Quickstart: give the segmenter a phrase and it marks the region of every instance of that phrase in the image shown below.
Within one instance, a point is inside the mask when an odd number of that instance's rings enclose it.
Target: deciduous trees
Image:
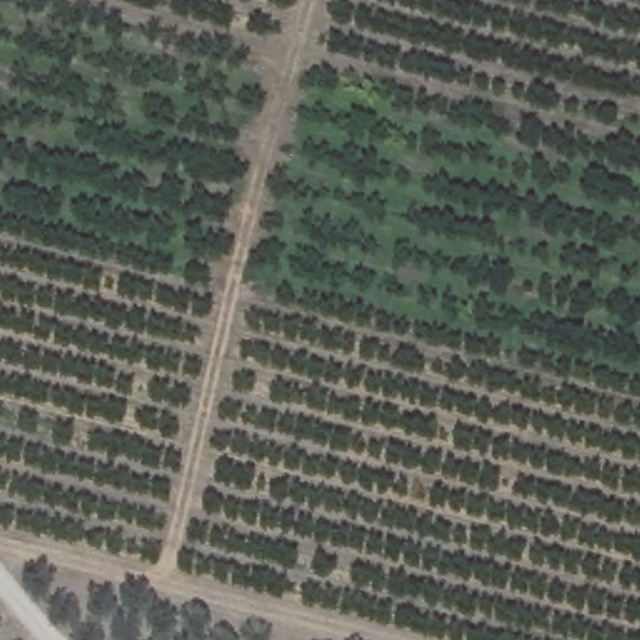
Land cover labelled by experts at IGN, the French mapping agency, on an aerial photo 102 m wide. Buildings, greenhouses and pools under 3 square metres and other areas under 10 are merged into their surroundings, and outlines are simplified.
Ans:
[[[168,598],[158,595],[155,588],[150,588],[148,578],[128,575],[123,583],[98,583],[88,573],[55,568],[48,563],[48,558],[35,558],[25,563],[20,585],[45,610],[48,620],[55,628],[60,628],[63,635],[68,635],[70,640],[270,640],[273,623],[265,618],[245,618],[243,625],[233,628],[228,620],[218,620],[210,615],[210,605],[205,600],[195,598],[173,605]]]
[[[320,43],[330,50],[325,53],[323,63],[303,70],[298,78],[303,100],[298,105],[295,140],[280,145],[280,153],[288,153],[288,163],[278,163],[268,175],[265,185],[273,195],[273,208],[260,215],[260,240],[250,248],[245,273],[240,273],[238,268],[228,265],[228,255],[233,250],[235,238],[225,230],[225,218],[233,205],[240,203],[245,193],[245,175],[250,170],[248,160],[238,155],[238,135],[263,110],[265,90],[255,75],[258,60],[248,53],[245,45],[235,45],[230,35],[235,0],[0,0],[0,528],[18,525],[35,535],[50,535],[65,543],[85,540],[93,548],[108,548],[110,553],[133,553],[150,563],[158,563],[165,548],[178,558],[183,573],[215,575],[225,585],[253,588],[258,593],[270,593],[275,598],[283,593],[303,595],[305,605],[340,610],[343,615],[355,613],[380,625],[410,628],[420,635],[440,640],[640,640],[640,0],[325,0],[333,20],[330,30],[320,35]]]
[[[255,10],[248,20],[248,28],[253,33],[280,33],[278,20]]]
[[[0,640],[35,640],[0,600]]]

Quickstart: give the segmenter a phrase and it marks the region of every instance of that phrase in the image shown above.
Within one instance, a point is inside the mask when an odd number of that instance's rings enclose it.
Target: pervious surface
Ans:
[[[278,20],[280,33],[253,33],[248,28],[248,20],[255,10]],[[235,0],[230,35],[235,45],[245,45],[248,53],[258,60],[255,75],[265,90],[263,110],[238,135],[238,155],[248,160],[250,170],[245,175],[245,193],[240,203],[233,205],[225,218],[225,230],[235,238],[233,250],[228,255],[228,265],[238,268],[240,273],[245,273],[250,248],[260,240],[260,215],[273,208],[273,195],[265,185],[268,175],[278,163],[288,163],[288,153],[280,153],[280,145],[295,140],[298,105],[303,100],[298,78],[303,70],[323,63],[325,53],[330,50],[320,43],[320,35],[330,30],[333,20],[325,0]]]
[[[258,593],[253,588],[225,585],[215,575],[183,573],[178,558],[165,548],[158,563],[150,563],[133,553],[110,553],[108,548],[93,548],[85,540],[65,543],[50,535],[35,535],[18,525],[0,528],[0,600],[35,640],[70,640],[68,635],[63,635],[60,628],[55,628],[48,620],[45,610],[20,585],[25,563],[35,558],[48,558],[48,563],[55,568],[88,573],[98,583],[123,583],[128,575],[148,578],[150,588],[155,588],[158,595],[168,598],[173,605],[195,598],[205,600],[210,605],[210,615],[218,620],[228,620],[233,628],[243,625],[245,618],[265,618],[273,623],[270,640],[440,640],[420,635],[410,628],[380,625],[355,613],[343,615],[340,610],[305,605],[303,595],[283,593],[275,598],[270,593]]]

